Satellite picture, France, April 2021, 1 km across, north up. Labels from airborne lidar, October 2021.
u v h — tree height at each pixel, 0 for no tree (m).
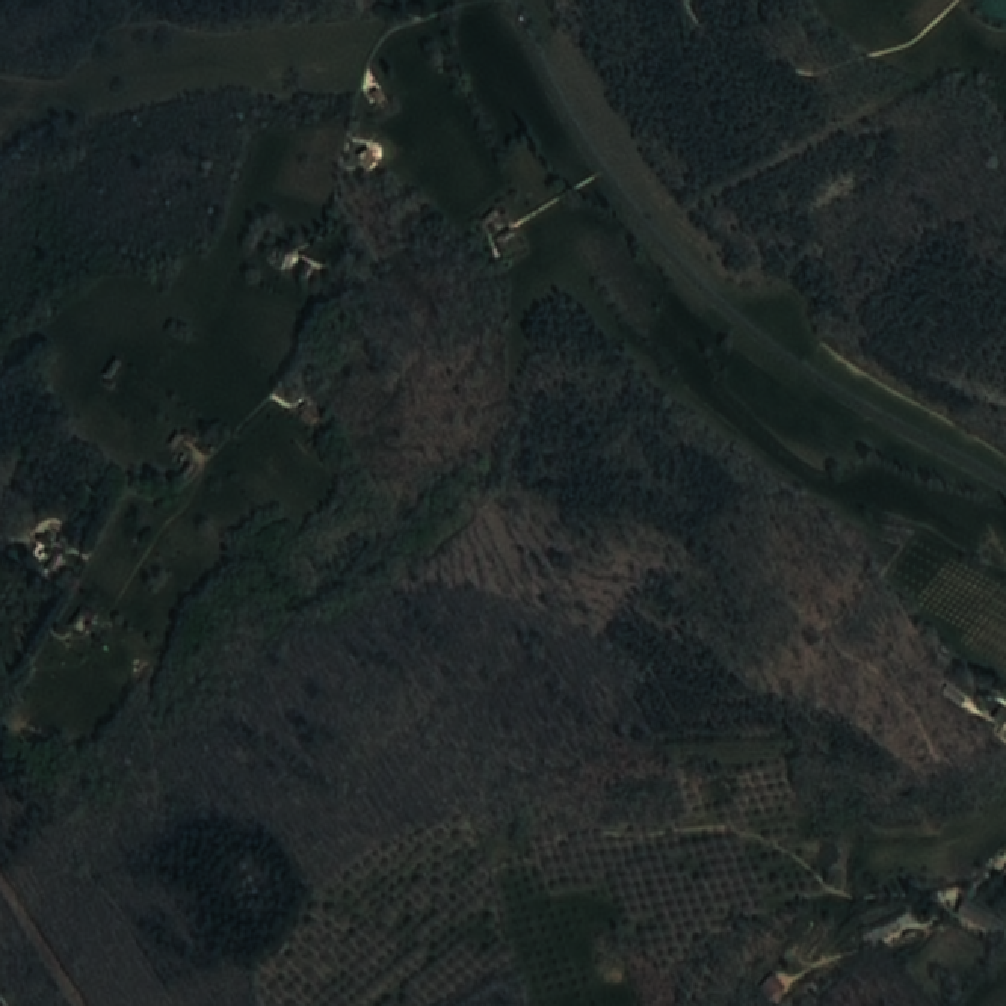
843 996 6
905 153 17
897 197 15
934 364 16
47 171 15
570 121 0
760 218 11
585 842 13
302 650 19
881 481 0
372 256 18
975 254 9
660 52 10
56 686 0
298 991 13
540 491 13
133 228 14
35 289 12
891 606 25
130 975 0
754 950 10
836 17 0
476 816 22
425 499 18
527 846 12
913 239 10
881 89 16
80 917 20
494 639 18
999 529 0
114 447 0
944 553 0
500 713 15
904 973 15
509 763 16
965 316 16
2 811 11
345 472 17
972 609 0
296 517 0
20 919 21
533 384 8
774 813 11
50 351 22
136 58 0
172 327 8
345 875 15
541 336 11
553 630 19
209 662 17
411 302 7
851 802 20
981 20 9
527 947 9
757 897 13
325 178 0
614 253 0
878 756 20
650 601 12
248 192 0
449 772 19
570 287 0
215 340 0
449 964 11
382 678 21
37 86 0
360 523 11
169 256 12
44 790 21
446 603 17
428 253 17
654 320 0
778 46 19
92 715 0
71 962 19
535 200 0
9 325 18
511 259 6
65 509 23
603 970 0
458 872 10
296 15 16
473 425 20
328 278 11
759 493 17
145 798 22
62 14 16
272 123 8
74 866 18
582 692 18
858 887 14
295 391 16
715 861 10
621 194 0
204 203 15
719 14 18
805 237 16
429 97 0
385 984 10
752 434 0
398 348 23
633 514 13
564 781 9
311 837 17
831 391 0
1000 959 20
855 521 0
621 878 12
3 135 0
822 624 21
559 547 18
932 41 0
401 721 21
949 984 16
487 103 0
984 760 19
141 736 21
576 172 0
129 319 0
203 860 35
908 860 0
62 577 10
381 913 13
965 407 19
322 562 15
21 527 17
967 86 14
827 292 6
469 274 19
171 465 0
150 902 0
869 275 12
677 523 13
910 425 0
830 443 0
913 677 19
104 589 0
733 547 13
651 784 14
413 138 0
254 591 21
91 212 14
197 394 0
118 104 0
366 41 0
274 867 34
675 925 11
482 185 0
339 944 11
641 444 12
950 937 0
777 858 10
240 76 0
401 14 17
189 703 18
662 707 20
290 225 0
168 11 22
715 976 17
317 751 22
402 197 9
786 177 9
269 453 0
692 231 0
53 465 22
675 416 13
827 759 16
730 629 13
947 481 0
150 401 0
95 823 20
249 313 0
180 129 14
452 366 17
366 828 17
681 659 20
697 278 0
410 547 24
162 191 15
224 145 15
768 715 19
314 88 0
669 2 13
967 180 15
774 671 21
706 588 10
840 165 11
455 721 18
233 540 15
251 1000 21
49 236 11
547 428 8
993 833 0
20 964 20
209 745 21
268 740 18
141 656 0
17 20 20
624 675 19
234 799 20
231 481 9
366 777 17
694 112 13
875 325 11
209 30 19
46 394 18
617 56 8
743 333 0
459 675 20
